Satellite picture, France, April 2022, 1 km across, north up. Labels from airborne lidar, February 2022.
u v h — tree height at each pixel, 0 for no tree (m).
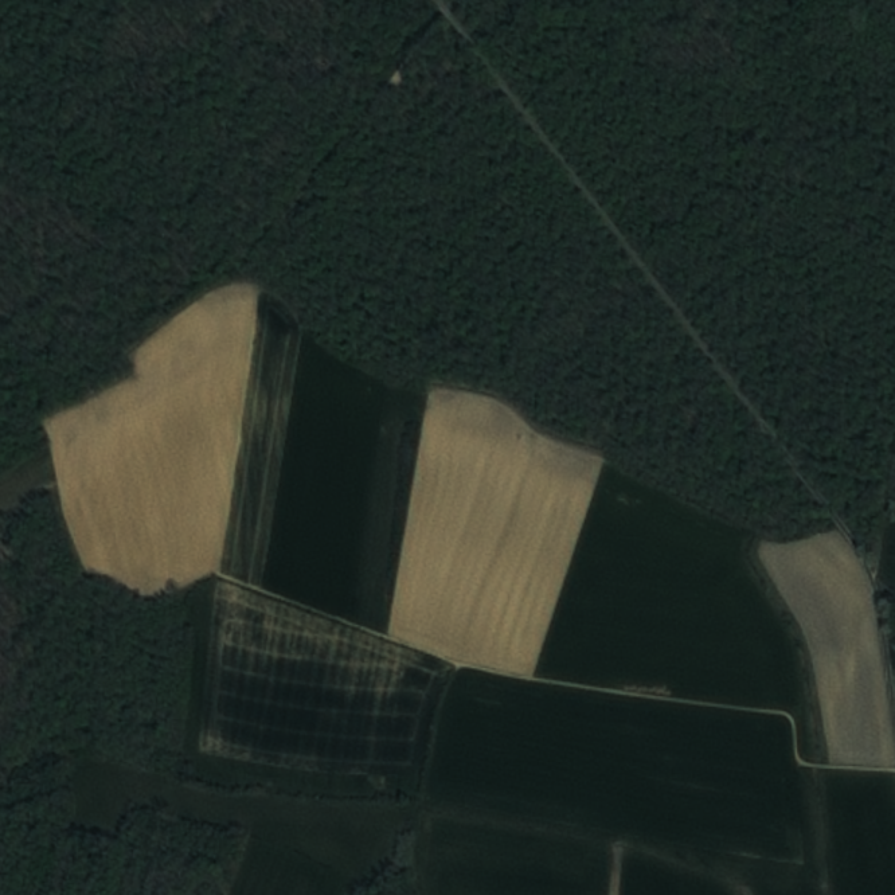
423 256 23
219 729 0
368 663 0
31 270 27
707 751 0
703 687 0
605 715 0
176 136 20
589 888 0
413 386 10
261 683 0
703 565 0
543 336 26
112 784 0
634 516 0
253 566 0
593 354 23
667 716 0
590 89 20
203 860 18
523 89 20
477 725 0
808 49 25
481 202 17
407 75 19
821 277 23
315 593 0
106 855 21
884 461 22
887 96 24
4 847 26
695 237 21
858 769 0
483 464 0
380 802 14
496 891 0
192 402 0
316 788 0
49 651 23
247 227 25
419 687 0
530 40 21
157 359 0
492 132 20
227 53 23
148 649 22
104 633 23
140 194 22
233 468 0
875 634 0
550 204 18
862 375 25
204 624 0
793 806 0
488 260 22
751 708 0
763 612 0
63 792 20
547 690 0
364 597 0
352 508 0
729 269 21
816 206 24
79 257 29
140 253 27
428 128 21
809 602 0
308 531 0
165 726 23
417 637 0
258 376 0
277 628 0
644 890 0
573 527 0
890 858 0
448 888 0
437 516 0
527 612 0
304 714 0
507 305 25
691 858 0
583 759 0
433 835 0
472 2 20
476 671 0
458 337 23
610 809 0
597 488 0
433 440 0
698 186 23
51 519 24
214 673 0
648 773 0
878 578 0
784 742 0
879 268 21
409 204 19
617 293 20
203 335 0
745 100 19
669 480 18
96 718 21
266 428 0
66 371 25
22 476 0
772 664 0
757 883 0
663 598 0
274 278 21
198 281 23
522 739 0
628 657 0
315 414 0
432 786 0
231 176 24
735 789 0
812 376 28
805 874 0
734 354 22
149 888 22
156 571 0
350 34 22
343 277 24
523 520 0
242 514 0
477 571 0
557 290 21
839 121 24
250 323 0
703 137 24
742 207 22
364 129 20
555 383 22
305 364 0
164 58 24
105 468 0
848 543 0
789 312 23
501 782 0
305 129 22
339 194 20
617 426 24
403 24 28
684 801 0
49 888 18
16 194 29
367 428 0
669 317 19
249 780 0
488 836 0
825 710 0
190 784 14
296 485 0
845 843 0
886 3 24
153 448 0
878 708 0
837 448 27
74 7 25
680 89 22
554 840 0
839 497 23
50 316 28
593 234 20
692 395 27
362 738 0
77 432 0
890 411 25
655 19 26
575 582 0
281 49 11
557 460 0
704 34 28
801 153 23
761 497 25
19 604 24
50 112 23
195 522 0
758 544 0
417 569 0
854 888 0
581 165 20
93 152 24
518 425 0
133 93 14
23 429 25
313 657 0
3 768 25
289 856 0
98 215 24
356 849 0
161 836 30
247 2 21
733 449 26
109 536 0
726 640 0
